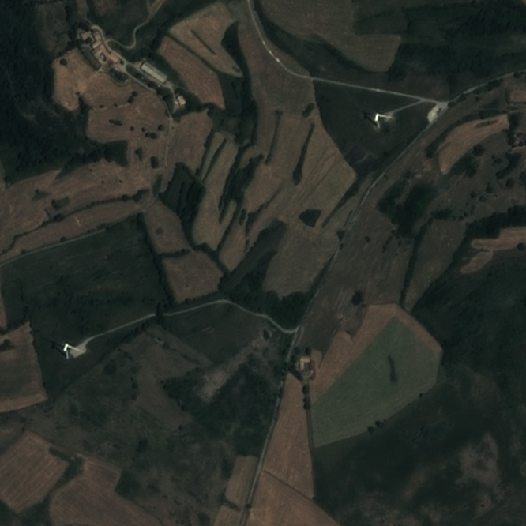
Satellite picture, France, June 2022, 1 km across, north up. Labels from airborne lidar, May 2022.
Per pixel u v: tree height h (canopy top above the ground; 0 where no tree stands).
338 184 0
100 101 0
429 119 0
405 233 8
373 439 0
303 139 0
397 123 0
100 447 0
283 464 0
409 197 6
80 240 0
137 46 0
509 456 0
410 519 0
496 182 0
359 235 0
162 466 0
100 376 0
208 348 0
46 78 7
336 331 0
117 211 0
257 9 10
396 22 0
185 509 0
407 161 0
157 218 0
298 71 0
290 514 0
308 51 0
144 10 0
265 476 0
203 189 11
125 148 0
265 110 0
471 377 0
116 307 0
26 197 0
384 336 0
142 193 9
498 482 0
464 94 9
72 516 0
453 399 0
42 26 0
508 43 0
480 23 7
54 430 0
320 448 0
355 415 0
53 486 0
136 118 0
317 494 0
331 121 0
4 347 6
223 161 0
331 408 0
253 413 0
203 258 0
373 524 0
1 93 15
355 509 0
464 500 0
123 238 0
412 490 0
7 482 0
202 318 0
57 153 11
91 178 0
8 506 0
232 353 0
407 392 0
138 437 0
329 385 0
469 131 0
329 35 0
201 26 0
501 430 0
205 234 0
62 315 0
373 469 0
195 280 0
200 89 0
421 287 0
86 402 0
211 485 0
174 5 0
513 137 8
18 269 0
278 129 0
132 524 0
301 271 0
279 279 0
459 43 0
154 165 11
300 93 0
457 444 0
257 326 0
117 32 0
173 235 0
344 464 0
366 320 0
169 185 7
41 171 0
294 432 0
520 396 0
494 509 0
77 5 0
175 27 0
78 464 0
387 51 0
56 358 0
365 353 0
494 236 6
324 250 0
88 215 0
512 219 16
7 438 0
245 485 0
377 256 0
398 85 0
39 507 0
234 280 0
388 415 0
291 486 0
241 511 0
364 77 0
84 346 0
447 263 0
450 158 0
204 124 0
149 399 0
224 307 0
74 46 13
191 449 0
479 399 0
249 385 0
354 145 0
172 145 0
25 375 0
